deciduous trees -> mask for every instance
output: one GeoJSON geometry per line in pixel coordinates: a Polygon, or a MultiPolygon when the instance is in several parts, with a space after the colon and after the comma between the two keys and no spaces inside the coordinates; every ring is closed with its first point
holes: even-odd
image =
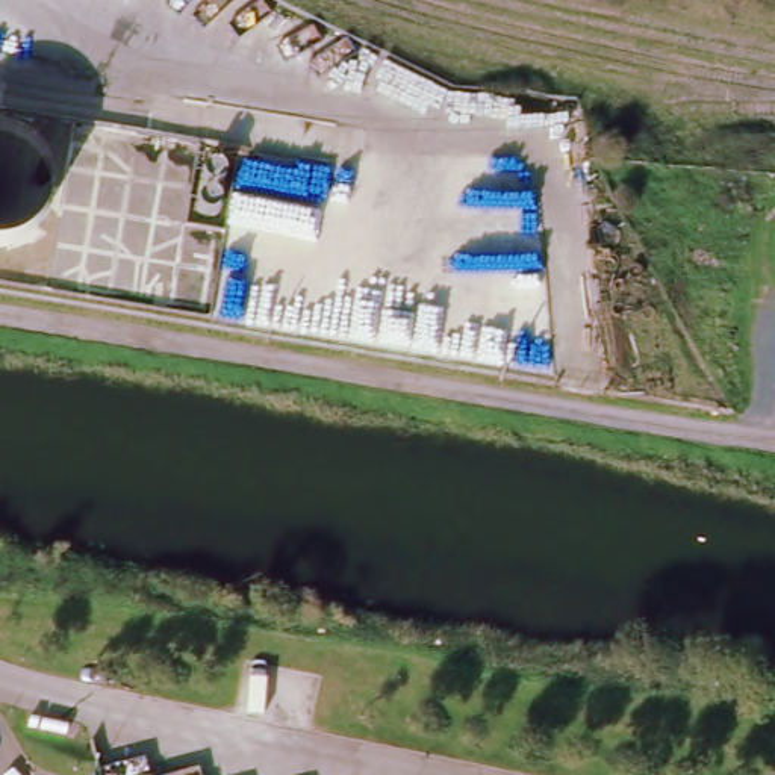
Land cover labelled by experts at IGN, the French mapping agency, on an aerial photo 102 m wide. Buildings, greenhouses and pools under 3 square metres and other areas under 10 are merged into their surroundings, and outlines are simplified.
{"type": "Polygon", "coordinates": [[[515,769],[533,772],[557,748],[572,748],[560,730],[533,727],[524,739],[512,742],[515,769]]]}
{"type": "Polygon", "coordinates": [[[702,760],[690,769],[672,769],[669,763],[651,757],[639,769],[639,775],[775,775],[775,769],[766,760],[751,760],[745,766],[742,760],[730,772],[724,763],[702,760]]]}
{"type": "Polygon", "coordinates": [[[472,730],[475,736],[487,733],[487,717],[493,711],[487,711],[487,705],[469,717],[466,708],[451,714],[445,708],[445,699],[436,699],[424,717],[424,730],[436,733],[451,727],[460,733],[472,730]]]}
{"type": "Polygon", "coordinates": [[[717,633],[657,639],[648,621],[633,621],[618,630],[618,636],[608,645],[602,645],[593,660],[599,663],[599,669],[618,675],[618,684],[639,699],[678,696],[702,705],[733,702],[739,714],[748,702],[757,702],[769,690],[769,684],[775,684],[775,669],[769,669],[766,642],[760,636],[748,636],[733,648],[730,636],[717,633]]]}
{"type": "Polygon", "coordinates": [[[112,651],[106,645],[100,651],[100,660],[82,663],[73,648],[58,651],[64,630],[54,627],[36,651],[33,669],[67,678],[82,672],[106,675],[115,687],[151,696],[170,672],[173,681],[188,681],[194,672],[209,681],[227,678],[224,663],[203,660],[194,651],[182,651],[179,645],[170,645],[157,657],[136,651],[112,651]]]}

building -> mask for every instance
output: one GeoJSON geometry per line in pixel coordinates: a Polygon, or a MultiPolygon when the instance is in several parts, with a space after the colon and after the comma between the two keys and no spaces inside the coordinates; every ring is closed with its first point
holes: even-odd
{"type": "Polygon", "coordinates": [[[97,763],[94,775],[151,775],[145,760],[97,763]]]}

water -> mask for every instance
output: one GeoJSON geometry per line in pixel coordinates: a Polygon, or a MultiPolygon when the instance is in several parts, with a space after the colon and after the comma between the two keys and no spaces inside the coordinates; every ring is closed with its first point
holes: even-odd
{"type": "Polygon", "coordinates": [[[648,621],[657,639],[717,633],[730,636],[733,648],[748,636],[760,636],[766,642],[769,669],[775,669],[775,509],[724,493],[690,490],[681,484],[645,478],[636,472],[612,469],[593,460],[581,460],[560,451],[542,451],[530,445],[481,442],[457,433],[409,433],[397,427],[333,424],[318,421],[306,412],[269,409],[218,394],[200,394],[191,388],[154,388],[85,369],[48,372],[36,366],[0,366],[0,539],[30,554],[67,542],[76,554],[118,572],[173,572],[191,581],[209,581],[221,590],[230,590],[233,596],[248,596],[251,584],[275,581],[285,584],[288,593],[315,590],[321,608],[342,608],[351,618],[384,615],[415,630],[490,627],[518,636],[530,648],[569,642],[602,645],[608,645],[618,636],[618,630],[633,621],[648,621]]]}
{"type": "Polygon", "coordinates": [[[18,227],[30,221],[51,200],[61,182],[24,139],[0,130],[0,227],[18,227]]]}

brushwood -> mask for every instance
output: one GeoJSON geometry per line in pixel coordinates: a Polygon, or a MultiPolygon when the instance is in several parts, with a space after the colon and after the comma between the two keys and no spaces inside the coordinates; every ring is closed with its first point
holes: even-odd
{"type": "Polygon", "coordinates": [[[775,684],[769,684],[769,690],[757,702],[748,702],[739,714],[754,727],[766,724],[775,714],[775,684]]]}
{"type": "Polygon", "coordinates": [[[693,170],[745,167],[760,173],[772,173],[775,167],[775,121],[721,121],[702,130],[702,136],[696,139],[681,139],[669,121],[660,121],[648,109],[648,103],[636,100],[624,88],[602,91],[572,79],[554,79],[551,73],[536,67],[493,70],[469,73],[469,85],[463,91],[506,97],[515,106],[521,106],[521,112],[581,109],[587,121],[584,167],[593,173],[645,170],[648,176],[660,163],[693,170]]]}
{"type": "Polygon", "coordinates": [[[0,587],[33,584],[36,590],[58,590],[64,599],[70,593],[88,593],[91,608],[115,612],[124,621],[148,618],[163,624],[170,618],[206,612],[215,618],[218,627],[230,627],[236,618],[248,618],[248,633],[294,633],[312,639],[312,645],[321,645],[327,651],[339,648],[339,642],[354,642],[354,651],[394,657],[403,669],[409,669],[412,663],[427,663],[436,669],[442,660],[448,660],[457,672],[469,672],[472,678],[493,678],[509,669],[536,693],[542,693],[551,681],[563,675],[581,675],[587,690],[618,684],[618,675],[599,669],[599,663],[593,660],[602,645],[569,642],[530,648],[518,636],[490,627],[415,630],[384,615],[351,618],[342,608],[321,608],[315,590],[288,593],[285,584],[275,581],[251,584],[248,596],[233,596],[230,590],[221,590],[209,581],[191,581],[173,572],[118,572],[76,554],[67,542],[30,554],[0,539],[0,587]]]}
{"type": "Polygon", "coordinates": [[[533,775],[639,775],[639,769],[651,757],[645,751],[602,751],[599,745],[587,742],[572,748],[557,748],[533,772],[533,775]]]}

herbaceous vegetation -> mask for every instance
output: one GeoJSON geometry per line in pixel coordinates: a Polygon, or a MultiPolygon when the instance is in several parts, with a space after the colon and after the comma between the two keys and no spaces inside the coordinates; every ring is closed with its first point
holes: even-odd
{"type": "Polygon", "coordinates": [[[624,6],[636,18],[660,21],[663,27],[693,30],[702,36],[733,36],[766,45],[775,42],[775,0],[615,0],[612,6],[624,6]]]}
{"type": "Polygon", "coordinates": [[[445,30],[439,27],[372,12],[369,6],[345,0],[291,0],[303,6],[312,18],[324,18],[327,27],[342,27],[348,39],[360,36],[369,45],[369,51],[381,51],[394,64],[448,91],[463,91],[469,85],[469,73],[493,70],[475,51],[445,51],[439,39],[445,30]]]}
{"type": "Polygon", "coordinates": [[[775,509],[775,454],[705,445],[690,439],[639,436],[630,430],[569,424],[554,418],[445,403],[412,394],[366,391],[294,372],[145,354],[121,345],[97,345],[82,339],[0,327],[0,366],[36,366],[48,372],[85,369],[154,388],[191,388],[200,394],[218,394],[269,409],[306,412],[318,421],[333,424],[397,427],[409,433],[457,433],[481,442],[530,445],[542,451],[560,451],[581,460],[593,460],[612,469],[636,472],[645,478],[681,484],[690,490],[724,493],[775,509]]]}
{"type": "Polygon", "coordinates": [[[121,300],[100,300],[51,288],[0,282],[0,306],[136,324],[151,330],[188,333],[200,339],[239,342],[266,351],[309,354],[324,360],[366,363],[406,375],[427,375],[578,406],[605,406],[699,424],[733,424],[751,406],[754,397],[757,306],[763,294],[775,291],[775,167],[772,173],[760,173],[745,167],[693,170],[660,163],[648,176],[645,170],[593,173],[584,167],[575,167],[572,176],[593,194],[596,215],[590,221],[590,245],[593,282],[599,288],[599,306],[587,312],[587,333],[596,345],[602,345],[612,394],[572,394],[563,384],[554,384],[554,375],[548,381],[515,381],[493,375],[490,363],[448,360],[400,348],[339,342],[324,336],[300,336],[263,327],[254,327],[251,333],[233,333],[230,327],[224,333],[215,333],[203,330],[203,318],[197,312],[151,309],[121,300]]]}
{"type": "Polygon", "coordinates": [[[21,754],[39,772],[51,775],[94,775],[97,763],[88,763],[88,748],[79,742],[30,730],[30,714],[24,708],[12,702],[0,705],[0,727],[18,739],[21,754]]]}
{"type": "Polygon", "coordinates": [[[702,760],[724,763],[730,772],[742,760],[745,766],[751,760],[766,760],[775,769],[775,714],[766,724],[754,727],[739,714],[733,702],[702,705],[678,696],[639,699],[618,684],[587,690],[581,675],[563,675],[551,681],[542,693],[536,693],[509,669],[493,678],[472,678],[469,672],[457,672],[448,660],[442,660],[436,669],[427,663],[412,663],[409,669],[403,669],[394,657],[354,651],[354,642],[339,642],[339,648],[327,651],[321,645],[312,645],[312,639],[294,633],[248,633],[248,618],[236,618],[230,627],[218,627],[215,618],[206,612],[170,618],[163,624],[148,618],[124,621],[115,612],[91,608],[88,593],[70,593],[64,599],[58,590],[36,590],[33,584],[0,587],[0,660],[33,669],[36,651],[54,627],[64,630],[58,651],[73,648],[82,663],[100,660],[100,651],[106,645],[112,651],[136,651],[157,657],[170,645],[179,645],[182,651],[194,651],[203,660],[224,663],[227,678],[209,681],[194,672],[188,681],[173,681],[170,672],[151,696],[227,708],[236,702],[239,693],[239,657],[260,660],[260,654],[269,651],[279,657],[282,669],[303,669],[321,675],[315,696],[318,730],[515,769],[512,742],[524,739],[533,727],[560,730],[572,748],[587,742],[599,745],[602,751],[645,751],[651,757],[669,763],[672,769],[690,769],[702,760]],[[466,708],[469,717],[487,705],[487,711],[493,711],[487,717],[487,733],[475,736],[472,730],[460,733],[451,727],[436,733],[424,730],[424,717],[436,699],[445,699],[445,708],[451,714],[466,708]]]}

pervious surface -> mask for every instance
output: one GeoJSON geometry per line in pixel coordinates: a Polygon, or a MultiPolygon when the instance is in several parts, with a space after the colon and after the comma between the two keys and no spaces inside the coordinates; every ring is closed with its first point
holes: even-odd
{"type": "Polygon", "coordinates": [[[602,91],[624,88],[636,100],[648,103],[648,109],[660,121],[669,121],[681,139],[696,139],[702,136],[702,130],[721,121],[775,121],[775,42],[766,45],[733,36],[702,36],[693,30],[663,27],[660,21],[636,18],[624,6],[612,6],[615,0],[345,0],[369,6],[372,12],[439,27],[445,30],[439,39],[445,51],[475,51],[493,70],[536,67],[551,73],[554,79],[572,79],[602,91]]]}

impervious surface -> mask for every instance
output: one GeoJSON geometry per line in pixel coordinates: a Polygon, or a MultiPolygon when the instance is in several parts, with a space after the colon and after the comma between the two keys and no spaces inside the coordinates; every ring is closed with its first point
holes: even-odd
{"type": "Polygon", "coordinates": [[[239,657],[239,693],[236,702],[227,708],[151,696],[115,687],[106,675],[82,672],[67,678],[33,669],[0,660],[0,705],[12,702],[24,708],[30,714],[30,730],[79,742],[88,748],[88,763],[97,763],[145,760],[151,775],[533,775],[533,772],[515,769],[318,730],[315,696],[321,675],[303,669],[282,669],[279,657],[269,651],[260,654],[260,660],[239,657]]]}
{"type": "Polygon", "coordinates": [[[521,112],[521,106],[515,106],[506,97],[463,91],[448,91],[394,64],[381,51],[369,51],[369,45],[360,36],[348,39],[342,27],[327,27],[324,18],[312,18],[303,6],[291,0],[0,0],[0,130],[24,139],[61,182],[51,200],[30,221],[18,227],[0,227],[0,282],[51,288],[100,300],[121,300],[151,309],[197,312],[203,318],[203,330],[215,333],[224,333],[230,327],[233,333],[251,333],[254,327],[263,327],[300,336],[324,336],[339,342],[400,348],[448,360],[490,363],[493,375],[515,381],[548,381],[554,375],[554,384],[563,384],[572,394],[612,394],[602,345],[596,345],[587,333],[587,312],[599,306],[599,288],[593,282],[590,245],[590,221],[596,215],[593,194],[572,176],[575,167],[584,167],[587,121],[581,109],[521,112]]]}
{"type": "Polygon", "coordinates": [[[0,775],[51,775],[39,772],[21,754],[18,739],[0,727],[0,775]]]}
{"type": "Polygon", "coordinates": [[[136,324],[0,306],[0,327],[82,339],[97,345],[121,345],[145,354],[294,372],[366,391],[412,394],[445,403],[554,418],[569,424],[630,430],[639,436],[690,439],[705,445],[775,454],[775,291],[763,294],[757,306],[754,397],[751,406],[733,424],[699,424],[605,406],[578,406],[427,375],[406,375],[366,363],[324,360],[309,354],[266,351],[239,342],[200,339],[188,333],[151,330],[136,324]]]}

